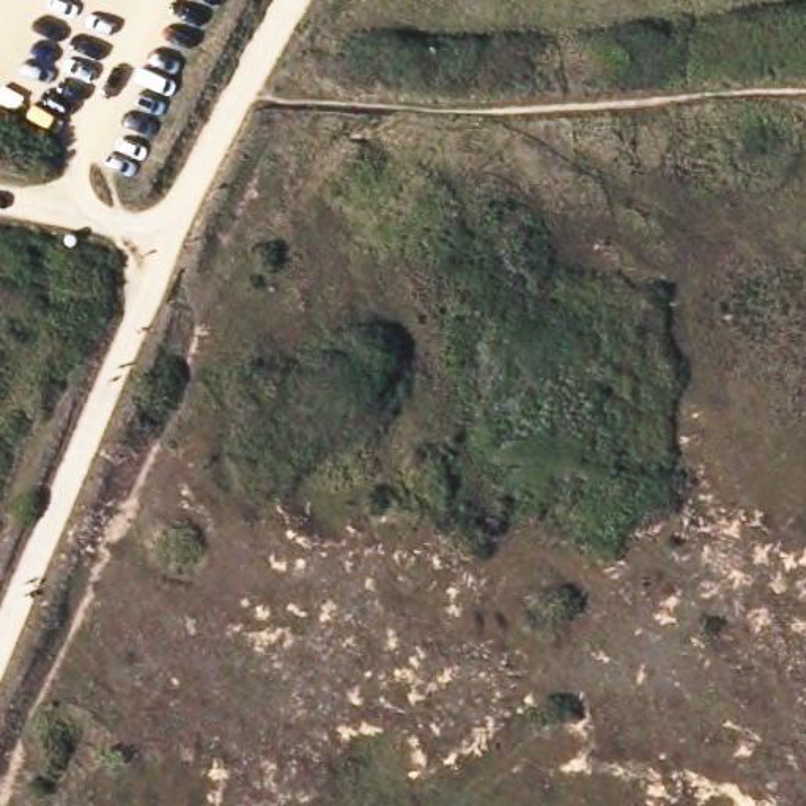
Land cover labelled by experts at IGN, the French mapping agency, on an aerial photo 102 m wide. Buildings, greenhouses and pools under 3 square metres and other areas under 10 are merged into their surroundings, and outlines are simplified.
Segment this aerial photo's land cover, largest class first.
<instances>
[{"label":"herbaceous vegetation","instance_id":"1","mask_svg":"<svg viewBox=\"0 0 806 806\"><path fill-rule=\"evenodd\" d=\"M246 0H224L214 19L205 25L202 44L186 50L183 85H176V91L170 94V113L157 116L161 132L154 135L151 148H145V161L135 167V176H116L123 208L148 211L161 198L151 189V179L164 164L176 132L183 129L186 113L195 107L198 88L214 69L220 47L230 38ZM737 82L806 85V0H309L302 19L293 25L280 57L274 60L264 85L258 88L255 104L246 110L214 173V183L205 189L198 211L176 252V264H195L198 280L214 293V299L205 305L208 337L198 346V362L189 365V384L183 390V400L170 412L167 425L154 441L161 444V457L148 475L132 526L120 542H113L110 567L98 579L94 605L76 642L66 639V627L85 592V576L98 560V554H85V548L98 545L104 526L120 513V501L129 497L145 450L120 444L107 428L94 447V457L88 463L76 504L60 529L57 548L38 579V589H31L28 617L0 677V778L6 771L13 746H25V762L19 768V781L6 806H645L649 790L639 781H620L614 775L592 771L567 775L564 762L576 756L598 762H642L661 771L664 787L674 784L671 771L686 768L705 775L708 781L737 784L746 797L775 800L778 806H806V94L721 98V88H734ZM696 88H702L705 98L633 110H564L516 116L460 113V107L598 101ZM419 157L428 164H441L450 173H519L523 192L532 186L538 189V198L548 211V224L523 227V252L526 268L535 271L542 283L554 287V280H567L582 287L586 264H598L605 271L617 268L633 280H655L649 302L664 318L661 349L671 362L674 381L686 387L680 406V450L683 466L693 469L699 479V494H690L680 513L664 516L652 526H639L630 535V548L620 560L601 557L592 545H573L567 538L545 532L538 516H516L513 529L501 538L497 554L488 560L475 557L463 538L438 532L431 519L419 513V501L425 497L434 510L444 513L447 485L434 463L416 460L422 431L406 416L397 419L390 438L381 447H365V441H353L346 453L324 457L318 472L305 479L299 507L287 510L277 501L261 510L258 523H246L239 516L252 504L242 491V441L252 431L255 412V406L242 397L239 384V368L246 362H252L255 356L296 359L302 346V315L312 318L324 334H331L334 324L346 321V305H356L368 318L378 315L400 321L412 334V394H425L434 381V372L441 368V353L450 346V331L434 324V309H447V315L453 318L469 315L472 305H463L457 296H434V261L428 255H419L409 264L394 258L400 249V227L416 211V202L425 186V176L416 170ZM264 239H283V242H287V268H271V264L264 261V246H261ZM60 721L76 724V730L82 734L76 756L63 771L57 793H35L31 781L41 778L50 762L44 734ZM60 346L57 318L35 309L19 293L0 290V605L35 529L19 519L28 504V491L44 488L50 494L54 475L66 457V447L72 441V431L82 419V409L101 368L91 359L85 365H76L66 378V390L57 397L54 416L44 419L41 378L47 356ZM658 806H734L727 797L696 800V790L686 784L677 803L661 800Z\"/></svg>","mask_w":806,"mask_h":806},{"label":"brushwood","instance_id":"2","mask_svg":"<svg viewBox=\"0 0 806 806\"><path fill-rule=\"evenodd\" d=\"M271 0H246L230 38L220 47L214 69L198 88L195 107L186 113L183 129L176 132L164 164L151 179V189L161 198L186 167V157L198 132L205 129L220 91L230 85L255 28L264 22ZM72 154V139L54 126H35L19 107H0V179L19 186H44L63 176ZM416 170L425 176V186L416 202V211L400 227V249L394 258L409 264L419 255H428L434 261V296H457L463 305H472L469 315L453 318L447 315V309H434V324L450 331V346L441 353V368L434 372V381L425 394H412V334L400 321L378 315L368 318L356 305H346V321L334 324L331 334H324L312 318L302 315V346L296 359L255 356L252 362H246L239 368V384L242 397L255 406V412L252 431L242 441V491L252 504L239 516L246 523H258L261 510L277 501L287 510L299 507L305 479L318 472L324 457L346 453L353 441H365V447H381L390 438L397 419L406 416L422 431L416 460L434 463L447 485L444 513L434 510L425 497L419 501V513L431 519L438 532L463 538L475 557L488 560L497 554L501 538L513 529L516 516H538L545 532L567 538L573 545H592L601 557L620 560L630 548V535L639 526H652L664 516L680 513L690 494H699V479L693 469L683 466L680 450V406L686 387L674 381L671 362L661 349L664 318L649 302L655 280H633L617 268L605 271L598 264H586L582 287L567 280H554V287L542 283L535 271L526 268L523 252V227L548 224V211L538 198V189L532 186L523 192L519 173H450L441 164H428L419 157ZM126 255L107 236L91 230L0 220V290L19 293L35 309L57 318L60 346L47 356L41 378L44 419L54 416L57 397L66 390V378L76 365H85L91 359L101 368L123 321ZM261 246H264V261L271 264V268H287V242H283V239H264ZM189 384V365L183 356L164 349L161 343L154 349V362L148 372H139L132 362L126 384L107 419V428L120 444L145 450L154 441L167 425L170 412L183 400V390ZM50 504V494L44 488L28 491V504L19 519L35 529ZM82 734L76 730V724L60 721L44 734L50 762L41 778L31 781L35 793H57L63 771L76 756Z\"/></svg>","mask_w":806,"mask_h":806},{"label":"pervious surface","instance_id":"3","mask_svg":"<svg viewBox=\"0 0 806 806\"><path fill-rule=\"evenodd\" d=\"M224 0H0V107H19L35 126H54L72 139V154L63 176L44 186H19L0 179V220L91 230L107 208H123L116 176H135V167L145 161V148H151L154 135L161 132L157 116L170 113V94L176 91V85H183L186 50L202 44L205 25L214 19ZM806 94V85L737 82L734 88H721V98ZM705 98L702 88H696L598 101L460 107V113L516 116L564 110H633ZM214 299V293L198 280L195 264H176L132 362L139 372H148L154 362V349L161 343L164 349L183 356L189 365L198 362V346L208 337L205 305ZM161 457V444L154 441L145 450L129 497L120 501V513L104 526L98 545L85 548V554H98V560L85 576V592L66 627V639L76 642L94 605L98 579L110 567L113 542H120L132 526L148 475ZM25 762V746H13L6 771L0 778V806H6L19 781V768ZM567 775L592 771L614 775L620 781H639L649 790L645 806H658L661 800L677 803L686 784L696 790V800L727 797L734 806H778L775 800L746 797L737 784L708 781L705 775L686 768L671 771L674 784L664 787L661 771L642 762H598L576 756L564 762Z\"/></svg>","mask_w":806,"mask_h":806},{"label":"impervious surface","instance_id":"4","mask_svg":"<svg viewBox=\"0 0 806 806\"><path fill-rule=\"evenodd\" d=\"M309 0H271L264 22L255 28L230 85L220 91L205 129L198 132L186 157V167L161 198L148 211L123 208H107L91 230L107 236L126 255L123 321L101 368L82 409V419L72 431V441L66 447V457L54 475L50 494V504L35 529L0 605V677L28 617L31 589H38V579L57 548L60 529L76 504L88 463L94 457V447L107 428V419L126 384L132 362L176 264V252L198 211L205 189L214 183V173L246 110L255 104L258 88L264 85L274 60L280 57L293 25L302 19Z\"/></svg>","mask_w":806,"mask_h":806}]
</instances>
